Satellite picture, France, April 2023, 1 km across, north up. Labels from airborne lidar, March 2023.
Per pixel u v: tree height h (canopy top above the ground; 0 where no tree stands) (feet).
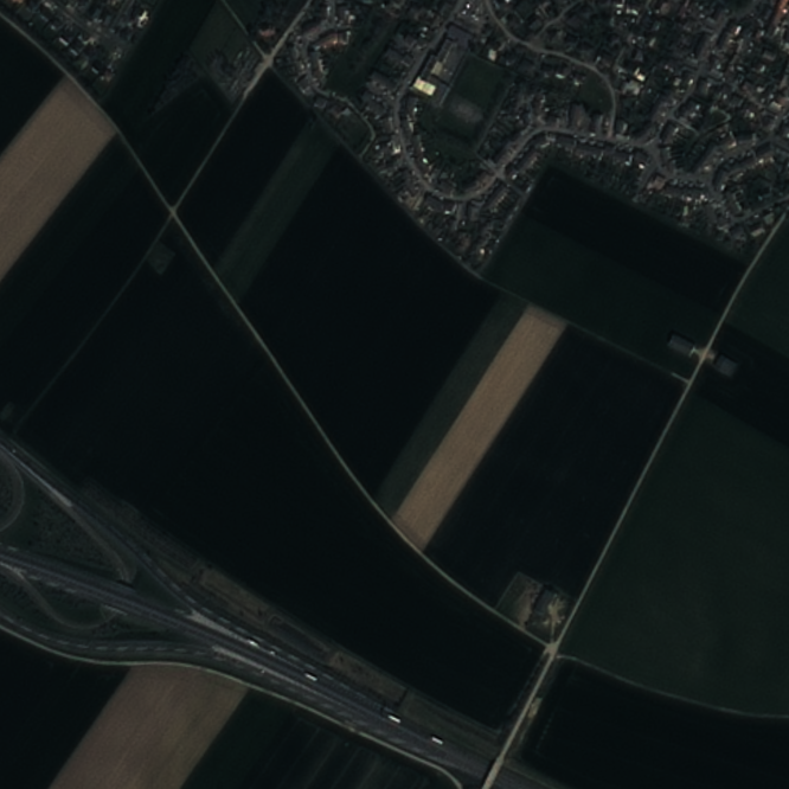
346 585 0
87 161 0
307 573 0
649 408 0
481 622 0
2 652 0
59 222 0
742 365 0
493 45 0
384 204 0
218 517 0
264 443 0
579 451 0
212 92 0
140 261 0
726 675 0
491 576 0
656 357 0
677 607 0
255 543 0
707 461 0
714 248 0
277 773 0
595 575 0
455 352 0
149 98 0
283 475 0
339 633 0
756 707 0
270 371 0
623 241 0
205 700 0
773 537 0
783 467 0
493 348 0
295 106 0
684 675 0
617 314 0
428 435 0
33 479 0
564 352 0
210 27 0
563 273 0
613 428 0
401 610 0
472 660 0
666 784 0
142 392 0
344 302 0
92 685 0
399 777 0
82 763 0
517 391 0
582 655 0
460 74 0
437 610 0
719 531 0
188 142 0
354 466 0
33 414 0
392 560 0
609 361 0
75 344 0
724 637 0
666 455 0
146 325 0
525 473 0
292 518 0
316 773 0
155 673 0
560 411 0
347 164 0
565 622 0
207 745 0
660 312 0
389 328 0
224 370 0
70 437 0
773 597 0
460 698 0
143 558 0
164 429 0
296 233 0
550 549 0
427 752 0
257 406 0
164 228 0
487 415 0
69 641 0
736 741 0
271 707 0
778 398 0
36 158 0
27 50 0
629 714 0
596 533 0
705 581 0
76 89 0
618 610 0
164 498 0
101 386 0
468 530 0
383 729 0
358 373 0
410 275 0
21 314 0
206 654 0
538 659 0
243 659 0
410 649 0
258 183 0
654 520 0
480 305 0
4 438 0
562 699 0
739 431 0
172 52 0
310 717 0
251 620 0
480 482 0
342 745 0
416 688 0
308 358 0
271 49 27
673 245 0
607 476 0
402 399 0
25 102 0
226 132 0
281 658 0
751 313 0
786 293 0
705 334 0
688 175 0
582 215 0
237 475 0
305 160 0
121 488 0
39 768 0
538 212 0
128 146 0
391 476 0
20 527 0
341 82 0
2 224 0
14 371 0
